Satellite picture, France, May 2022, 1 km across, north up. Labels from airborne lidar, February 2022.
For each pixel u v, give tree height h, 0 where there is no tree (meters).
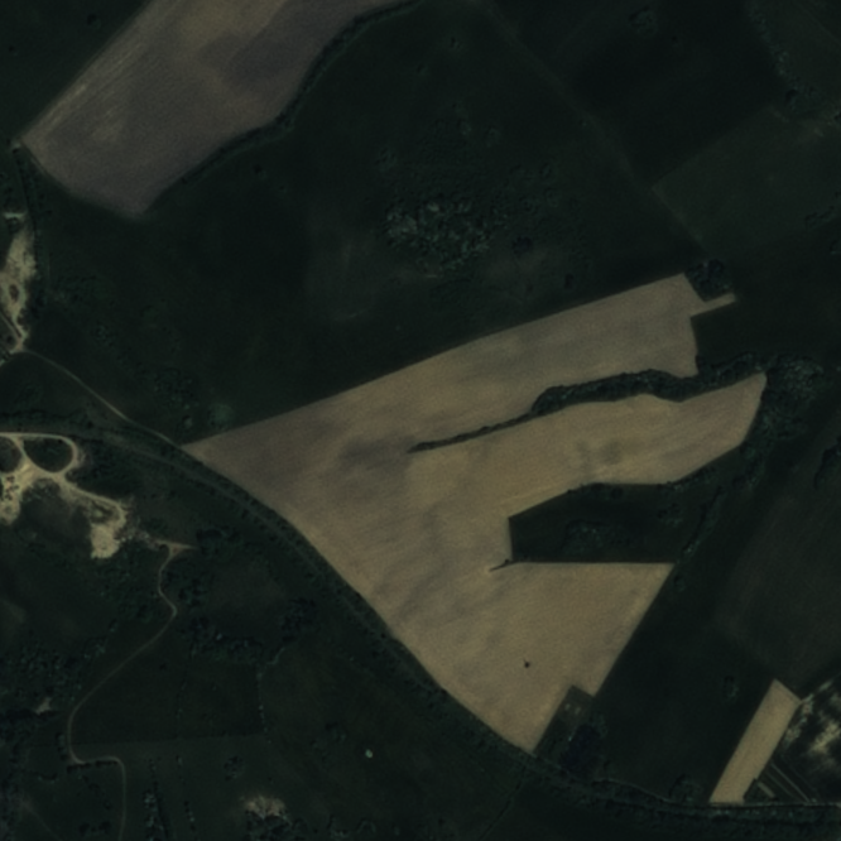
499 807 0
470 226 7
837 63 0
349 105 0
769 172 0
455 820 0
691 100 0
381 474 0
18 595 0
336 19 0
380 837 0
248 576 0
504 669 0
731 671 0
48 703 0
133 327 0
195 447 0
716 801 0
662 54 0
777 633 0
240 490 7
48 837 0
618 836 0
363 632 7
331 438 0
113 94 0
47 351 0
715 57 0
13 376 0
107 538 0
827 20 0
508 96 0
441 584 0
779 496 0
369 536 0
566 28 0
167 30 0
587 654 0
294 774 0
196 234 0
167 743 0
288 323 0
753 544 0
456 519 0
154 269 0
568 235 0
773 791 0
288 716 0
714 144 0
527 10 0
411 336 0
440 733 0
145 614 17
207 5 0
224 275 0
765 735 0
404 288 0
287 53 0
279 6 0
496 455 0
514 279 0
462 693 0
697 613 0
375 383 0
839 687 0
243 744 0
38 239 5
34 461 0
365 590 0
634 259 0
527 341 0
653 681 0
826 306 0
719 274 19
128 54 0
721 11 0
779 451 0
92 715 0
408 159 0
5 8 0
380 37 0
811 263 0
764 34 6
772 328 0
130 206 0
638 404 0
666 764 0
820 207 0
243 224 0
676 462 0
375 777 0
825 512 0
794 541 0
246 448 0
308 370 0
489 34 0
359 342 0
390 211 6
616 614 0
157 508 0
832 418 0
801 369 8
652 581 0
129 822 0
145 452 0
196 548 0
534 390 0
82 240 0
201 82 0
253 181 0
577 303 0
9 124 0
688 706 0
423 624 0
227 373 0
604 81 0
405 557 0
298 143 0
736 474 0
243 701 0
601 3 0
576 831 0
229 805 0
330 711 0
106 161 0
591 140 0
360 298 0
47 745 0
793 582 0
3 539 0
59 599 0
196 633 18
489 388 0
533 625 0
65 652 0
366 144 0
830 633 0
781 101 0
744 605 0
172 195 0
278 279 0
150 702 0
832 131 0
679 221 0
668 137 0
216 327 0
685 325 0
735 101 0
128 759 0
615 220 0
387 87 0
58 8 0
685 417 0
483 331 0
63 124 0
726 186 0
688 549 6
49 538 0
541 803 0
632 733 0
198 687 0
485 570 0
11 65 0
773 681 0
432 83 0
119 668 0
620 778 0
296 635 13
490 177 0
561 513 0
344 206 0
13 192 6
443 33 0
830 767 0
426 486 0
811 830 14
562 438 0
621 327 0
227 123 0
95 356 0
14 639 0
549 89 0
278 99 0
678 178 0
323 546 0
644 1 0
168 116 0
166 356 0
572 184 0
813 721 0
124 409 0
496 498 0
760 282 0
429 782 0
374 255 0
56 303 0
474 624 0
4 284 0
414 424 0
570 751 0
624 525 0
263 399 0
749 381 0
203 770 0
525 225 0
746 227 0
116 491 0
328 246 0
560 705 0
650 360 0
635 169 0
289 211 0
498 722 0
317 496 0
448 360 0
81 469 0
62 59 0
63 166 0
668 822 11
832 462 13
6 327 0
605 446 0
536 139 0
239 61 0
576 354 0
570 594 0
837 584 0
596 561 0
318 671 0
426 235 7
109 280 0
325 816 0
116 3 0
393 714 0
